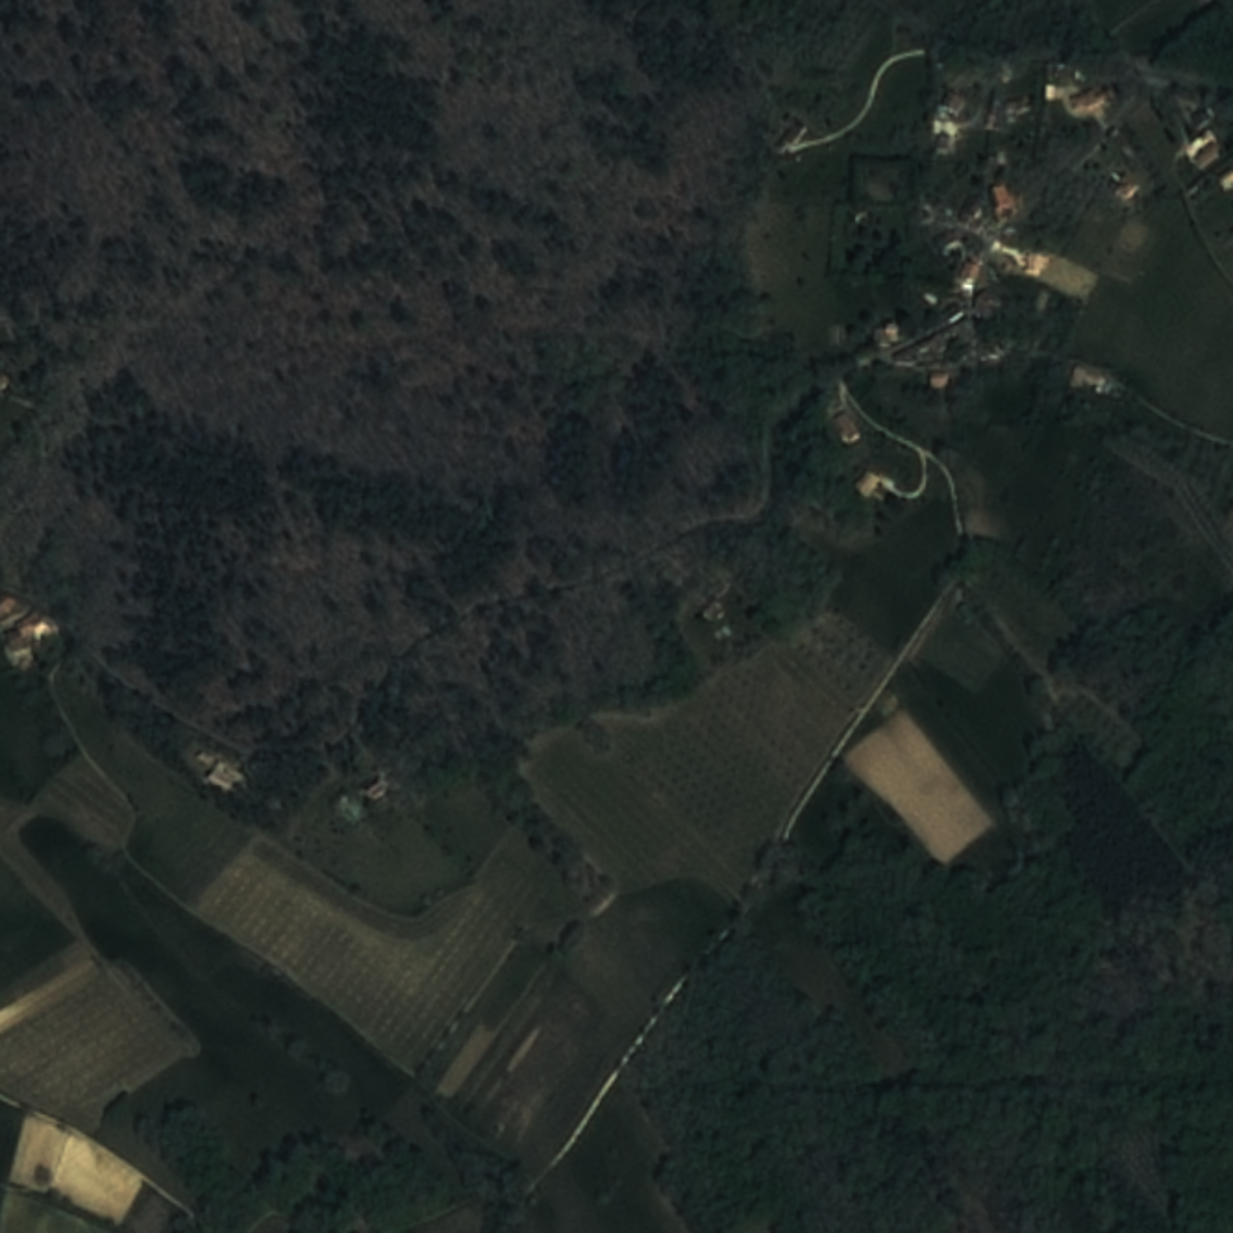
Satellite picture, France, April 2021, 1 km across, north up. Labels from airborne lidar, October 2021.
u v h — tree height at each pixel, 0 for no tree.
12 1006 0
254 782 23
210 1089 0
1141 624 18
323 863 0
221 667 28
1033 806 12
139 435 17
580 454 27
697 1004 10
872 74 0
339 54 24
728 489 24
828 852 0
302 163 15
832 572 15
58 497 12
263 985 0
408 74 9
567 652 14
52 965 0
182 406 9
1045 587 8
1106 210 10
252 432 13
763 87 18
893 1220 25
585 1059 0
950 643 0
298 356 7
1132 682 19
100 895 0
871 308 7
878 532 7
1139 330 0
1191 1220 21
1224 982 14
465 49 13
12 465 16
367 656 10
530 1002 0
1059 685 16
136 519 6
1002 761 0
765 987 17
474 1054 0
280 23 15
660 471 27
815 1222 29
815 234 0
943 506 0
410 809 21
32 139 11
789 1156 22
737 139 20
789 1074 17
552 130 12
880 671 7
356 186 23
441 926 0
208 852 0
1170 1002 17
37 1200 0
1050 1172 20
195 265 7
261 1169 0
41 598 20
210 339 10
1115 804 7
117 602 10
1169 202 7
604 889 13
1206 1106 24
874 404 10
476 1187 18
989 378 16
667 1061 9
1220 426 0
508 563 25
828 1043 23
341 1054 0
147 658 16
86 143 9
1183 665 13
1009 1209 8
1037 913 10
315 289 12
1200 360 0
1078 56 20
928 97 13
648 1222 0
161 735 25
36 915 0
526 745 18
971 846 0
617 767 0
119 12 6
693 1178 17
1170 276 0
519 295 10
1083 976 12
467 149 18
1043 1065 20
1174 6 0
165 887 0
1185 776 10
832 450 23
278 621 16
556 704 17
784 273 0
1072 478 0
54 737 12
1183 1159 17
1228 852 17
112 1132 0
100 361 17
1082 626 10
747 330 24
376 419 12
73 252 22
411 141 13
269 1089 0
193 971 0
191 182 23
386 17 13
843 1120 21
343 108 18
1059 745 7
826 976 0
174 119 9
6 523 26
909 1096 23
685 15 18
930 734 0
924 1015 6
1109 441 20
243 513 16
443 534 24
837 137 0
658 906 0
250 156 17
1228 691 22
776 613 25
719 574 23
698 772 7
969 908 13
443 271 26
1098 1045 17
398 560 19
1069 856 7
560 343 18
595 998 0
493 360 11
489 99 14
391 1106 0
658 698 20
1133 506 10
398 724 25
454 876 0
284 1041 6
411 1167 18
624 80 25
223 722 6
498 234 17
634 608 23
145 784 0
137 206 11
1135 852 8
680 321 16
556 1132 0
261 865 0
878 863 15
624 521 22
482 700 20
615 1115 0
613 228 15
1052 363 9
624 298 23
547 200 17
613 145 28
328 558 16
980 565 15
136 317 12
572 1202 0
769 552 19
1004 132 0
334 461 13
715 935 9
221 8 14
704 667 15
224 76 11
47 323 11
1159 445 10
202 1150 23
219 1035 0
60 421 20
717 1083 19
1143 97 19
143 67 8
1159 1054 22
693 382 18
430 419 15
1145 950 8
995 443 0
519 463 22
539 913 0
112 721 11
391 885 0
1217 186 6
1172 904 12
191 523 9
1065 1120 19
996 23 8
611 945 0
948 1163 15
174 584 16
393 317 14
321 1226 18
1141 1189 31
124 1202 0
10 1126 0
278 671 9
